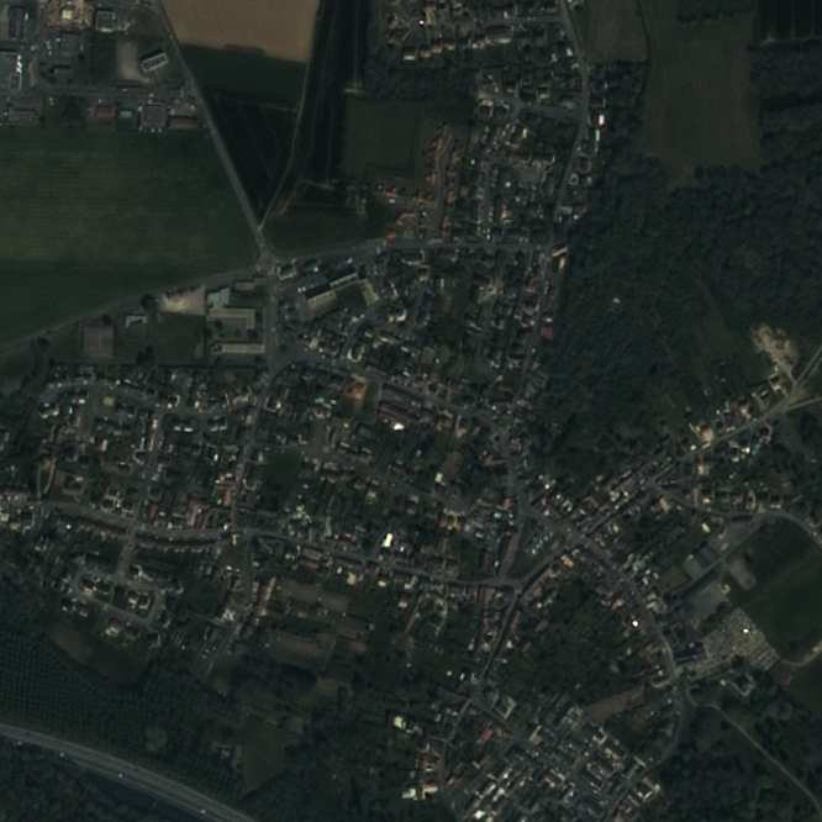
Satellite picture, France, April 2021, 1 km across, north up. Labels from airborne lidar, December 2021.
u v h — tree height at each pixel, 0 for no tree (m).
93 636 0
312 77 0
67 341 0
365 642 6
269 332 0
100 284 0
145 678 8
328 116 0
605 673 6
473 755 7
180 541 0
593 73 0
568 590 0
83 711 23
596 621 0
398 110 0
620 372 7
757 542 0
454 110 0
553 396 14
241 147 0
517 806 0
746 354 0
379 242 0
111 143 0
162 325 0
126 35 0
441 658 0
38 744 0
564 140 0
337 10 0
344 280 0
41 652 23
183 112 0
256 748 0
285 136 0
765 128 7
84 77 0
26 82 0
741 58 0
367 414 9
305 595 0
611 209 7
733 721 19
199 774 25
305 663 0
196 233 0
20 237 0
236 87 0
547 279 0
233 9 0
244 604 0
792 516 0
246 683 29
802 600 0
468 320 0
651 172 18
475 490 16
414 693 21
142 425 6
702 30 0
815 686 0
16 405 13
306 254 0
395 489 0
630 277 19
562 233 16
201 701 29
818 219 17
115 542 0
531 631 8
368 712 6
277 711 8
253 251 0
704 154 0
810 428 13
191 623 0
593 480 0
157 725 32
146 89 0
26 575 15
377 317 0
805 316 6
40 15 0
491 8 10
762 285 13
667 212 11
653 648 0
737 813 24
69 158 0
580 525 0
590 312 15
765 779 21
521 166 0
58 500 0
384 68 15
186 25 0
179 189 0
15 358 0
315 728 6
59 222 0
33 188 0
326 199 0
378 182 0
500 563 0
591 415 15
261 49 0
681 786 32
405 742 0
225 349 0
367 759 11
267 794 13
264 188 0
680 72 0
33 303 0
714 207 19
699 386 6
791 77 21
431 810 12
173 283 0
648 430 8
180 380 0
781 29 0
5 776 24
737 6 9
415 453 7
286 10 0
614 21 0
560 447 7
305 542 0
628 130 11
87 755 0
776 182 22
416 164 0
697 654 0
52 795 17
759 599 0
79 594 0
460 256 7
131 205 0
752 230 19
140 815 8
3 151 0
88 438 0
